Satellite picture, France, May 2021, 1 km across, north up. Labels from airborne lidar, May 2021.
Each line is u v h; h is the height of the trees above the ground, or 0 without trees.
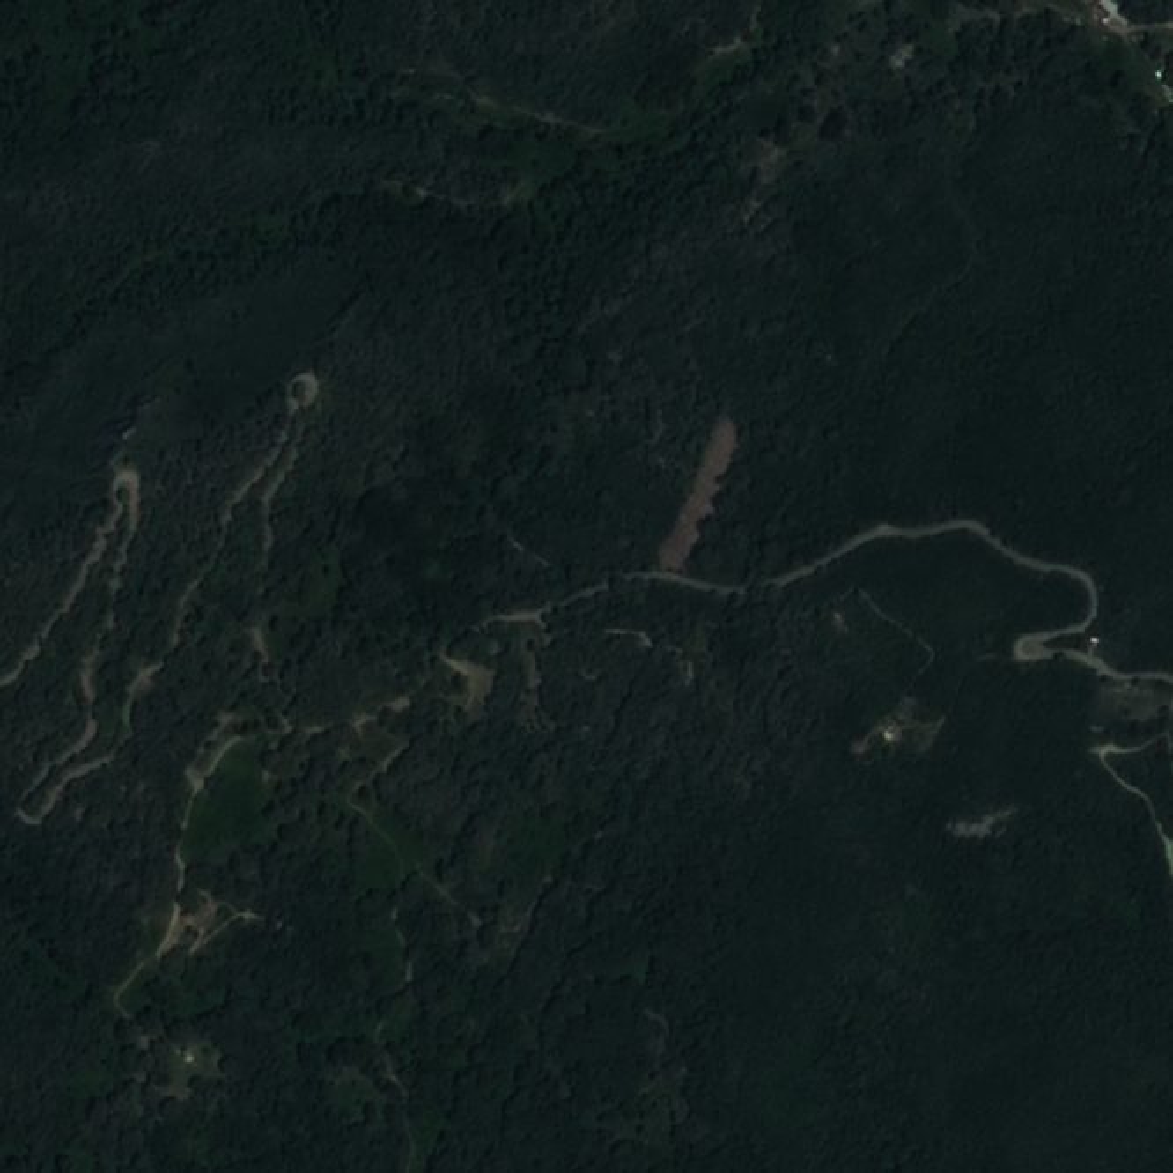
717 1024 11
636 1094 16
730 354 6
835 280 8
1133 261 6
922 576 6
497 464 13
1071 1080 6
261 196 9
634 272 13
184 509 11
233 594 16
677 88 15
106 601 14
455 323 13
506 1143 10
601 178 12
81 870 15
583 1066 13
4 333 18
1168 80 12
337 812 14
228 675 16
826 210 7
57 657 10
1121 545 6
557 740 8
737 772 13
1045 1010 8
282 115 8
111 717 16
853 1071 11
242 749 0
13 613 6
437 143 19
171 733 14
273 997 16
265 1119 13
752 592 11
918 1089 5
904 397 9
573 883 11
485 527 13
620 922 17
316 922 11
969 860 10
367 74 20
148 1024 16
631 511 6
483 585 14
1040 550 9
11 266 12
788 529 6
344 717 15
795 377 8
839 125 17
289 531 18
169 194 8
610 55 9
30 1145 16
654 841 11
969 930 9
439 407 16
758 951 6
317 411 12
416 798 15
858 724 6
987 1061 5
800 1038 5
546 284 20
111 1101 16
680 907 17
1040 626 7
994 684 6
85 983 7
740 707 11
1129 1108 6
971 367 9
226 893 12
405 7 7
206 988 11
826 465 6
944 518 6
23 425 13
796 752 6
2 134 11
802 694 8
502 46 12
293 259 8
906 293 6
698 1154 10
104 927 10
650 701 8
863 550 6
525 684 13
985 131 11
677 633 10
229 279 12
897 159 6
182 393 10
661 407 6
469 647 14
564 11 10
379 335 12
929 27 8
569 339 12
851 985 6
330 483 14
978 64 15
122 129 11
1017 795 7
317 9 19
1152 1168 8
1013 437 7
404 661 13
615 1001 18
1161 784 6
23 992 22
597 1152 20
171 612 17
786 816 6
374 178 11
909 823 6
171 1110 14
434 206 20
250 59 11
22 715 10
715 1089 10
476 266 12
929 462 7
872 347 7
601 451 9
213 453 10
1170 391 10
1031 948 12
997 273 8
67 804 12
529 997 17
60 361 15
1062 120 9
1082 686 6
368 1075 11
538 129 14
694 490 8
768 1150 10
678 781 7
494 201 12
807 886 6
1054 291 10
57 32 9
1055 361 6
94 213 8
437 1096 11
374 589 19
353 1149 12
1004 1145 6
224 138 8
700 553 17
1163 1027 8
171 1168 15
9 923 22
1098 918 8
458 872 16
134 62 7
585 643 11
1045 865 6
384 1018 12
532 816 9
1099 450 9
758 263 13
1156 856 7
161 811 19
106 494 0
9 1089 11
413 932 10
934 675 6
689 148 7
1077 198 7
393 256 17
